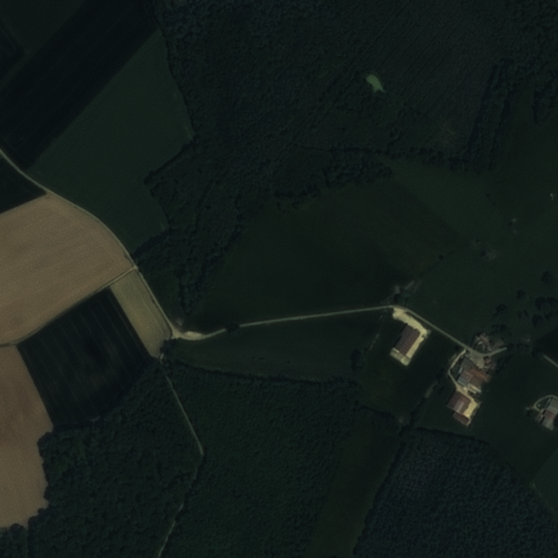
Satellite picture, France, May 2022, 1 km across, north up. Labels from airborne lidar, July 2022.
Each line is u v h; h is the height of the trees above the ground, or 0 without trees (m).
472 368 0
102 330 0
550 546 25
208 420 19
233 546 20
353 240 0
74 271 0
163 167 9
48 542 31
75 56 0
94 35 0
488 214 0
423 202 0
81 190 0
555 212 0
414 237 0
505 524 29
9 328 0
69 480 21
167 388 17
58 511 29
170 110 0
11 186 0
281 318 0
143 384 23
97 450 24
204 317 0
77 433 25
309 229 0
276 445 17
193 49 23
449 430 0
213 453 17
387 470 0
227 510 19
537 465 0
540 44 25
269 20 27
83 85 0
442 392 8
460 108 7
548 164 0
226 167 18
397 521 16
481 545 29
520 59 9
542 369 0
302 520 19
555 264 0
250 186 19
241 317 0
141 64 0
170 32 15
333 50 21
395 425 22
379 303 0
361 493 0
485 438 0
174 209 20
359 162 21
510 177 0
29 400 0
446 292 0
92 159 0
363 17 6
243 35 26
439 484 19
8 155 0
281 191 11
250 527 19
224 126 23
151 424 21
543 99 24
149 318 0
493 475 17
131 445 26
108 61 0
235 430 17
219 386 19
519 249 0
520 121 0
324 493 18
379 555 16
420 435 18
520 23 20
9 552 33
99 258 0
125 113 0
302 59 23
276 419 17
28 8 0
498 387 0
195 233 14
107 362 0
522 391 0
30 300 0
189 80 22
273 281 0
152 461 29
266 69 24
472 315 0
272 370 0
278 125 16
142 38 0
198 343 0
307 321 0
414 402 0
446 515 23
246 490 18
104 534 32
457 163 25
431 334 0
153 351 0
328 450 17
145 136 0
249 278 0
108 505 28
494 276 0
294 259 0
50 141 0
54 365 0
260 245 0
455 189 0
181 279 31
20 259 0
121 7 0
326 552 0
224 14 26
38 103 0
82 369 0
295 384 21
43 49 0
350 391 21
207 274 18
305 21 22
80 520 28
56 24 0
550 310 15
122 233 0
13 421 0
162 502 26
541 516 28
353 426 18
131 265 0
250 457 18
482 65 6
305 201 12
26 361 0
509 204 0
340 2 7
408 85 7
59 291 0
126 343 0
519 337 0
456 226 0
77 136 0
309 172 8
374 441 0
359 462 0
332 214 0
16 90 0
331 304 0
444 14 6
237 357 0
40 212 0
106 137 0
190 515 18
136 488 29
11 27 0
